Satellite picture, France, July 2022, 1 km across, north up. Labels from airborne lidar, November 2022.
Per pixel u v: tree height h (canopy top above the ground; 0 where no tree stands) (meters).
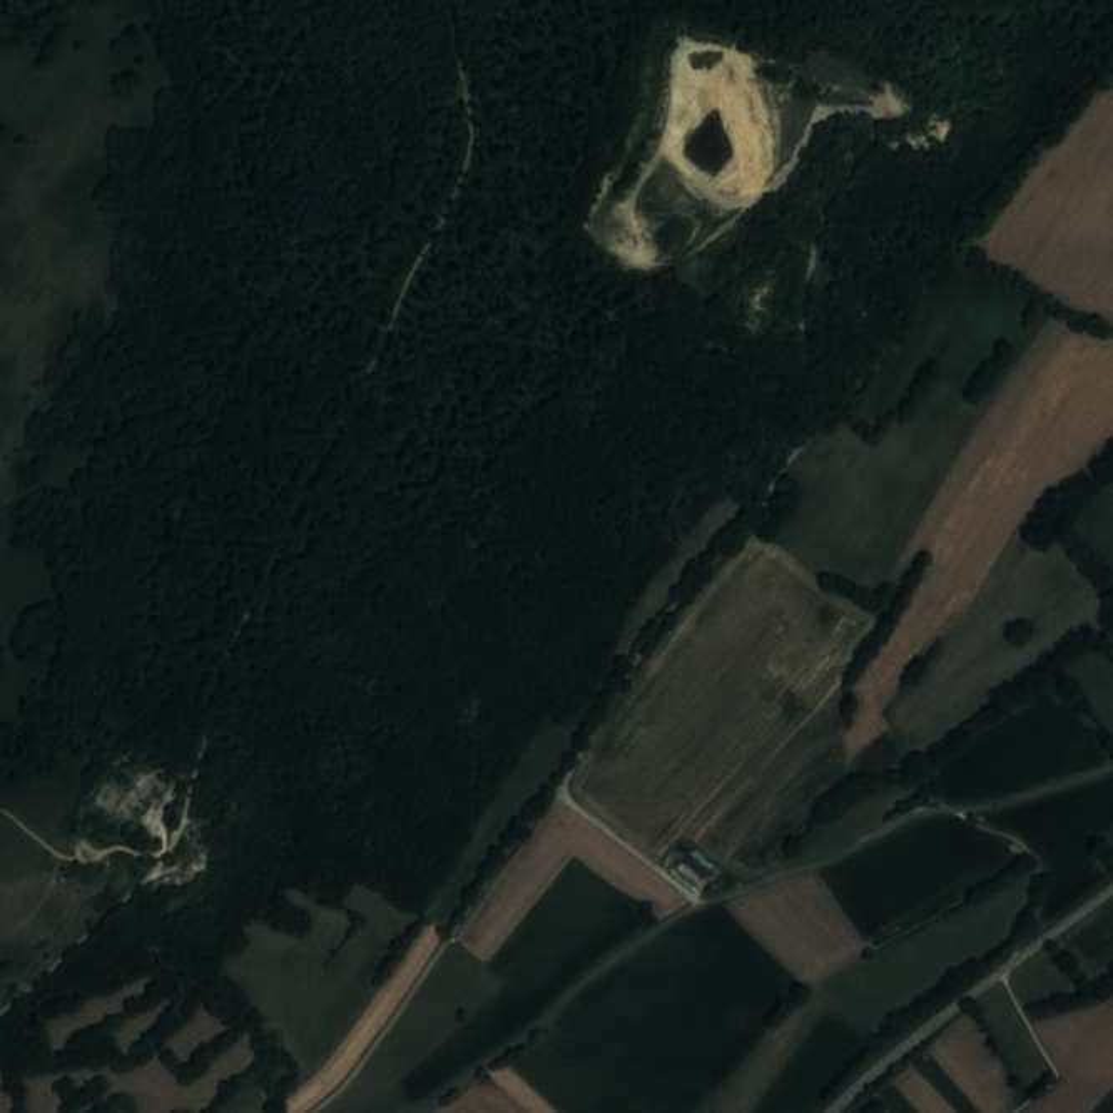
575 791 0
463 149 12
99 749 11
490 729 20
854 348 21
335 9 19
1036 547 19
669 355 25
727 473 19
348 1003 0
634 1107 0
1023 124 9
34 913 0
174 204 14
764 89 0
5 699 0
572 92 13
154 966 21
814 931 0
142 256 10
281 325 17
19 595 0
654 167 0
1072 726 0
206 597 17
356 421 24
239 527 23
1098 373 0
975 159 11
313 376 20
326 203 27
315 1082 0
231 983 14
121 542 22
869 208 21
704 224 0
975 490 0
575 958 0
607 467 24
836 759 0
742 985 0
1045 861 0
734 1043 0
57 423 15
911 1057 7
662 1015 0
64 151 0
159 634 24
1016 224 0
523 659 17
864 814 0
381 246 30
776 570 0
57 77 0
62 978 11
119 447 10
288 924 14
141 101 0
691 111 0
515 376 16
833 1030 0
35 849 0
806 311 12
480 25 25
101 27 0
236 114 21
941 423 0
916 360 0
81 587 20
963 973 15
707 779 0
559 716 17
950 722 0
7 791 12
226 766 14
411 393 25
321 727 20
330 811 22
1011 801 0
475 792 20
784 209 11
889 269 21
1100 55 6
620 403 26
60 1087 14
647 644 10
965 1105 0
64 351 10
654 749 0
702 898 0
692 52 0
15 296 0
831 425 17
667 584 0
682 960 0
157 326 20
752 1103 0
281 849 19
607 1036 0
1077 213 0
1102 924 0
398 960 11
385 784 23
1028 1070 0
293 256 21
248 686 19
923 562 15
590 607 20
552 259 9
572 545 21
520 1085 0
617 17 11
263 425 23
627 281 9
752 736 0
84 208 0
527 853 0
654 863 0
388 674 20
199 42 19
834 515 0
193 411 24
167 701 12
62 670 25
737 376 22
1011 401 0
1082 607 0
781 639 0
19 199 0
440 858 23
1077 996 9
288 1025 0
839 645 0
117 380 18
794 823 0
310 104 25
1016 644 16
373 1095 0
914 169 18
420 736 24
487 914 0
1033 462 0
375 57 21
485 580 23
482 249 11
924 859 0
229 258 24
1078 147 0
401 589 18
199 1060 16
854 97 0
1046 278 0
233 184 27
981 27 19
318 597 11
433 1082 0
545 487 21
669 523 20
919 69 15
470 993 0
